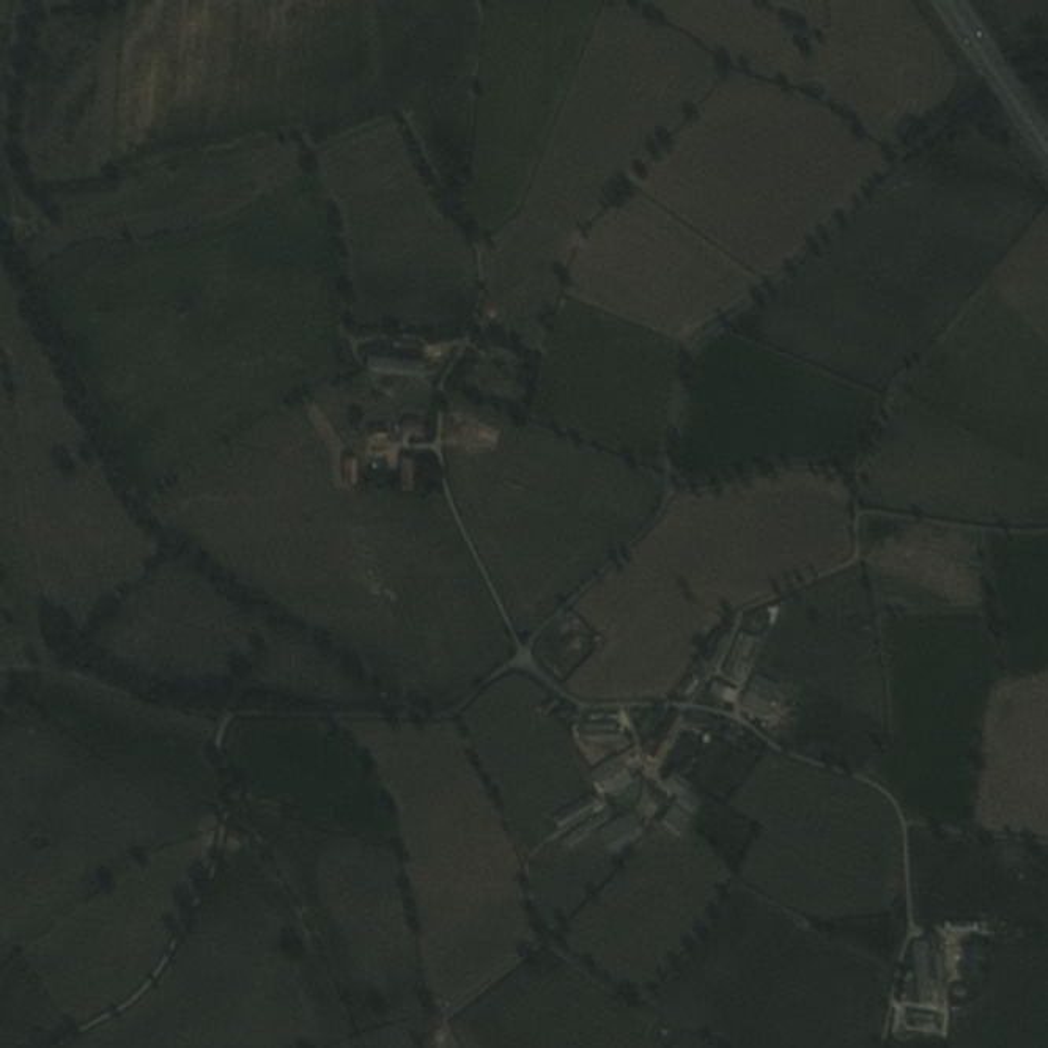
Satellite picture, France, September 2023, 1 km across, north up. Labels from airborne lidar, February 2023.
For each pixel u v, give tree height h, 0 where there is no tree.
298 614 0
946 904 0
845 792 0
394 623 0
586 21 0
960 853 0
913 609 0
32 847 0
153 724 0
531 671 0
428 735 0
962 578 0
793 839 0
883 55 0
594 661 0
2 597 0
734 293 0
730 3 0
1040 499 0
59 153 0
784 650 0
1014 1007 0
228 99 0
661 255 0
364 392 0
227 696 17
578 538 0
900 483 0
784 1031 0
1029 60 13
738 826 0
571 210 0
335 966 0
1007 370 0
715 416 0
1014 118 0
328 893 0
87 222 0
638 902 0
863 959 0
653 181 0
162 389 0
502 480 0
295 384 0
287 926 0
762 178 0
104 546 0
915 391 0
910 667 0
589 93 0
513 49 0
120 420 0
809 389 0
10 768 0
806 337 0
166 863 0
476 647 0
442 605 0
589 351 0
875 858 0
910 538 0
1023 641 0
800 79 0
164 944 0
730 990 0
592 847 0
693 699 0
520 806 0
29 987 0
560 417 0
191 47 0
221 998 0
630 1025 0
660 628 0
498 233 0
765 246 0
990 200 0
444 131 0
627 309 0
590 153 0
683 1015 0
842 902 0
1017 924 0
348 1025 0
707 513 0
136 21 0
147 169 0
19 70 17
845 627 0
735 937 0
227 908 0
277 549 0
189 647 0
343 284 11
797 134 0
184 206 0
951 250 0
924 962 0
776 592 11
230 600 10
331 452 0
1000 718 0
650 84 0
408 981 0
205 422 0
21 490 0
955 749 0
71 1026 13
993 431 0
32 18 19
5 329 0
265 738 0
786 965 0
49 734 0
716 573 0
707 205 0
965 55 0
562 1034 0
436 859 0
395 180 0
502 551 0
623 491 0
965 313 0
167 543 18
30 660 15
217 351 0
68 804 0
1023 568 0
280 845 0
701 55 0
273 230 0
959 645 0
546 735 0
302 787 0
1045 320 0
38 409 0
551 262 0
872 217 0
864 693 0
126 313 0
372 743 0
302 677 0
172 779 0
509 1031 0
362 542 0
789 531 0
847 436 0
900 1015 0
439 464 14
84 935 0
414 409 0
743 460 0
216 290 0
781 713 0
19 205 0
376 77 0
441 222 0
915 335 0
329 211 10
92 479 0
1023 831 0
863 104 0
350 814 0
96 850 0
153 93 0
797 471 0
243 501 0
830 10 0
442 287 0
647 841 0
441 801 0
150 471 0
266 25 0
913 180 0
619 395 0
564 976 0
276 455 0
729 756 0
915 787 0
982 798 0
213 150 0
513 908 0
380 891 0
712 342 0
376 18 0
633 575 0
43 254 0
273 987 0
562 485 0
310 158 12
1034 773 0
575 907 0
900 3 0
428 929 0
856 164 0
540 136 0
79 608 0
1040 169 0
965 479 0
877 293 0
